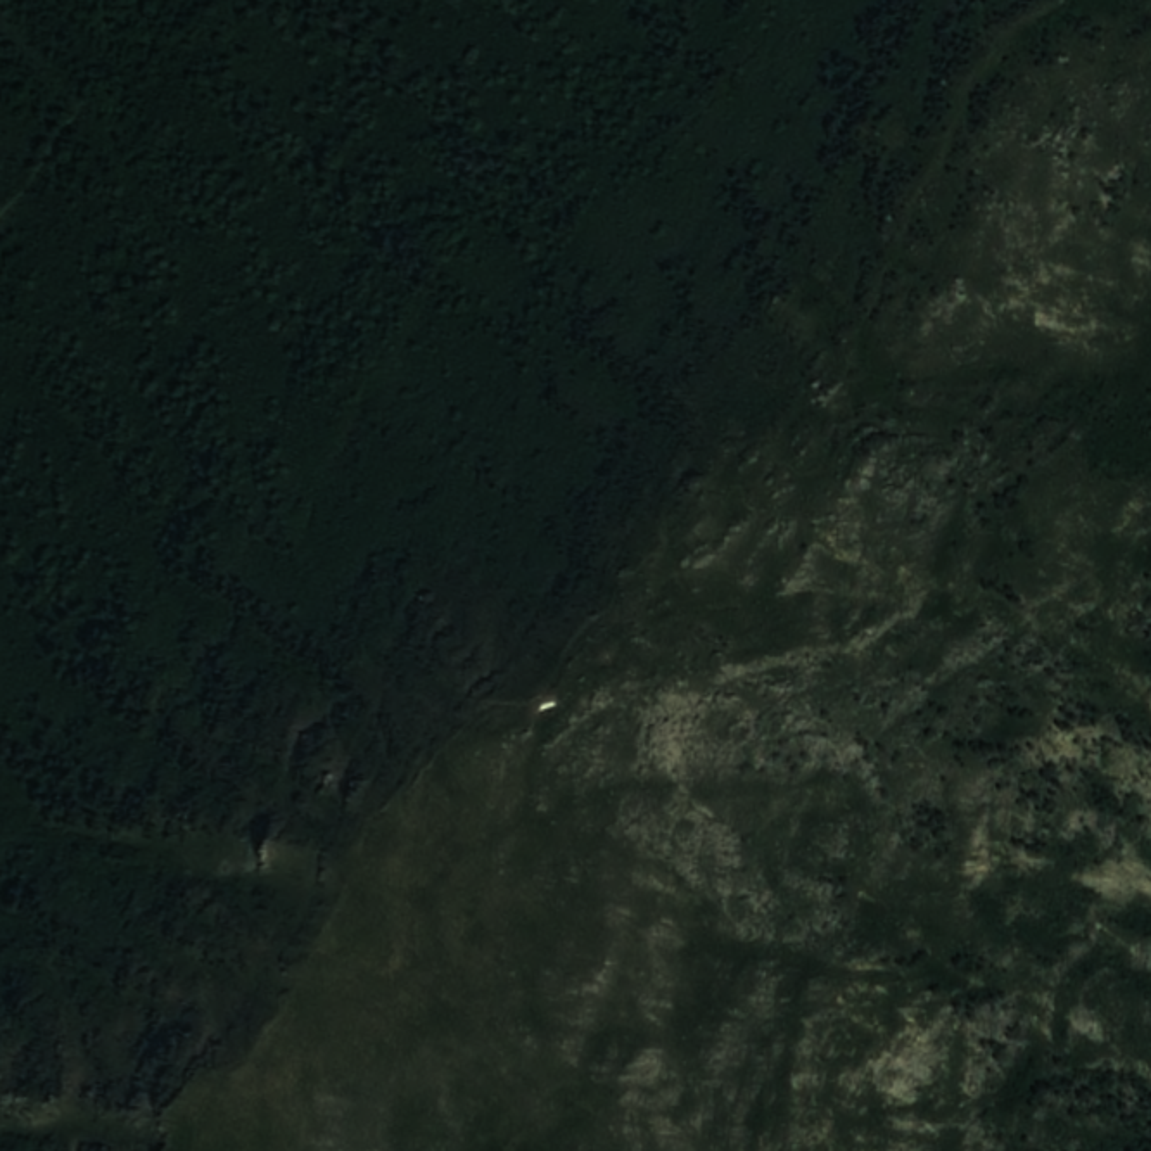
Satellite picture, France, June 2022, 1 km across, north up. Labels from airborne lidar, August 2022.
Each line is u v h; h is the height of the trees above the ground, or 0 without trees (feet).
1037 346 0
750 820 0
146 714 30
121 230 31
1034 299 0
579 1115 0
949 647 0
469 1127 0
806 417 0
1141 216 0
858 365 0
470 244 30
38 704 26
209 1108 0
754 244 29
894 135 0
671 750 0
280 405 20
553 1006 0
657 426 27
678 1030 0
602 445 27
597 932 0
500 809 0
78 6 27
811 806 0
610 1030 0
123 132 25
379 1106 0
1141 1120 26
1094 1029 0
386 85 22
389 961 0
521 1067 0
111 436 21
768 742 0
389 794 0
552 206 27
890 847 0
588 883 0
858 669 0
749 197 21
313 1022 0
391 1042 0
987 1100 0
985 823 0
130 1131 0
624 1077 0
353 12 44
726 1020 0
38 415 20
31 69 34
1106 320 0
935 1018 0
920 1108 0
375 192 29
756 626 0
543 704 0
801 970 0
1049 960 35
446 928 0
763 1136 0
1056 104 0
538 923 0
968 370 0
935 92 34
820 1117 0
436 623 0
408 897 0
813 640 0
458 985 0
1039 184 0
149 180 22
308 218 27
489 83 26
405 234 20
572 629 0
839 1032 0
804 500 0
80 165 38
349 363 28
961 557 0
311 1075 0
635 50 29
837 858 0
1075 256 0
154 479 33
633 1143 0
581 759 0
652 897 0
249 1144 0
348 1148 0
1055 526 0
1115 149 0
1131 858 0
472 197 36
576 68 32
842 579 0
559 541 21
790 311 0
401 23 27
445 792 0
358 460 23
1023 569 0
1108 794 52
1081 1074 26
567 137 35
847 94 40
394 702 0
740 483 0
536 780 0
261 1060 0
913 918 0
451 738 0
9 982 27
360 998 0
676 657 0
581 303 28
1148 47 0
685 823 0
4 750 50
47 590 33
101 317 33
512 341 28
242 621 26
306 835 0
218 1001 0
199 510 28
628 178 29
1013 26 0
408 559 27
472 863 0
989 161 0
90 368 25
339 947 0
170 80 21
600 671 0
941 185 0
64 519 24
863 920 0
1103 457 24
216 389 31
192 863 0
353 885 0
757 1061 0
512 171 28
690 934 0
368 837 0
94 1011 0
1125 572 0
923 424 0
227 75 24
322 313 30
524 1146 0
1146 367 0
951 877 0
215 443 27
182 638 24
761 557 0
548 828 0
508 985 0
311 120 33
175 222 23
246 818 0
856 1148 0
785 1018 0
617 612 0
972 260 0
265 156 33
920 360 0
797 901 0
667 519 0
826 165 30
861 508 0
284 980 0
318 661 32
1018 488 28
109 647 28
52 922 36
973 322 0
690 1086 0
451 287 27
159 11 25
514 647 0
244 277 37
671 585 0
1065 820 0
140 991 22
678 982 0
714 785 0
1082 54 0
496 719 0
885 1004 0
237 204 28
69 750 22
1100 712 60
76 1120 0
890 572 0
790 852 0
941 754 0
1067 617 0
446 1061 0
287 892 0
